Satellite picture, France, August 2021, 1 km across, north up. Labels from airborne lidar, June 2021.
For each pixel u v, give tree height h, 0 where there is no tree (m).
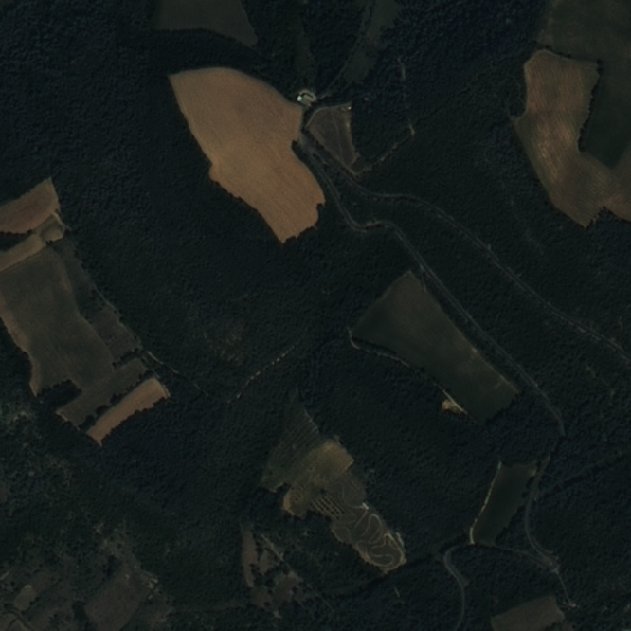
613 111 0
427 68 7
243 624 9
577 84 0
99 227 6
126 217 7
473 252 7
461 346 0
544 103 0
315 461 0
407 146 8
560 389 6
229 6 0
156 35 10
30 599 0
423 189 8
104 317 0
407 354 0
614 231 12
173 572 6
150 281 7
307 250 12
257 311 9
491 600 7
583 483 11
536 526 7
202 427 12
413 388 7
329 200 7
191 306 10
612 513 7
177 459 19
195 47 8
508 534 13
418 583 11
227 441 7
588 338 7
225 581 9
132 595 0
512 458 16
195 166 13
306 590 12
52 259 0
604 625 16
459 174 6
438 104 8
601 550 6
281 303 10
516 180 10
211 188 12
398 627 12
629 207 0
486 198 6
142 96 14
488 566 12
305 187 0
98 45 15
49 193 0
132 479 7
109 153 10
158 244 10
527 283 7
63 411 0
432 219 9
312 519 15
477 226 7
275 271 8
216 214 13
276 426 15
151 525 7
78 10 12
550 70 0
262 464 14
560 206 0
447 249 6
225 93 0
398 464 6
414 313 0
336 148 0
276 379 14
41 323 0
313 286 11
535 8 11
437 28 12
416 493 10
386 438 6
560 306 7
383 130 9
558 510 6
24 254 0
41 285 0
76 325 0
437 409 7
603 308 9
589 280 7
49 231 0
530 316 8
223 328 8
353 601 8
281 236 0
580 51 0
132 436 19
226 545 10
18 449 9
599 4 0
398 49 9
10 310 0
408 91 7
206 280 9
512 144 12
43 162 9
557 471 13
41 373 0
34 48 17
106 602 0
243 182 0
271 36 13
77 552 8
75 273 0
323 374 7
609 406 9
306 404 9
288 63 14
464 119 6
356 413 6
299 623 11
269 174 0
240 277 10
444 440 7
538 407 11
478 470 14
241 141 0
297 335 10
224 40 10
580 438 14
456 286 7
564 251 9
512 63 9
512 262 6
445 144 8
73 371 0
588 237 10
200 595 6
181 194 11
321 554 12
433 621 9
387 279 12
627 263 13
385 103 11
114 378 0
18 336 0
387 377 10
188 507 13
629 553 8
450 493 8
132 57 13
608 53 0
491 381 0
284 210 0
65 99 8
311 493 0
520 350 8
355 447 9
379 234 11
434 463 7
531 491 7
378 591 17
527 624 0
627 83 0
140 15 16
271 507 8
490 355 7
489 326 8
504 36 7
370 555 0
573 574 6
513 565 10
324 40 12
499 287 12
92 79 8
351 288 17
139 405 0
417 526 14
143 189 10
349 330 13
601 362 8
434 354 0
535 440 18
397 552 0
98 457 12
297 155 12
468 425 16
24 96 13
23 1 11
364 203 8
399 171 7
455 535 11
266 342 11
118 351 0
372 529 0
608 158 0
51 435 6
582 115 0
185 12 0
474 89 6
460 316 7
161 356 9
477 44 9
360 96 9
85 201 8
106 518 7
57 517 6
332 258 10
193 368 11
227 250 14
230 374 10
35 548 10
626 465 8
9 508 8
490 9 8
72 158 13
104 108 11
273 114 0
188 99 0
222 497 13
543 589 9
